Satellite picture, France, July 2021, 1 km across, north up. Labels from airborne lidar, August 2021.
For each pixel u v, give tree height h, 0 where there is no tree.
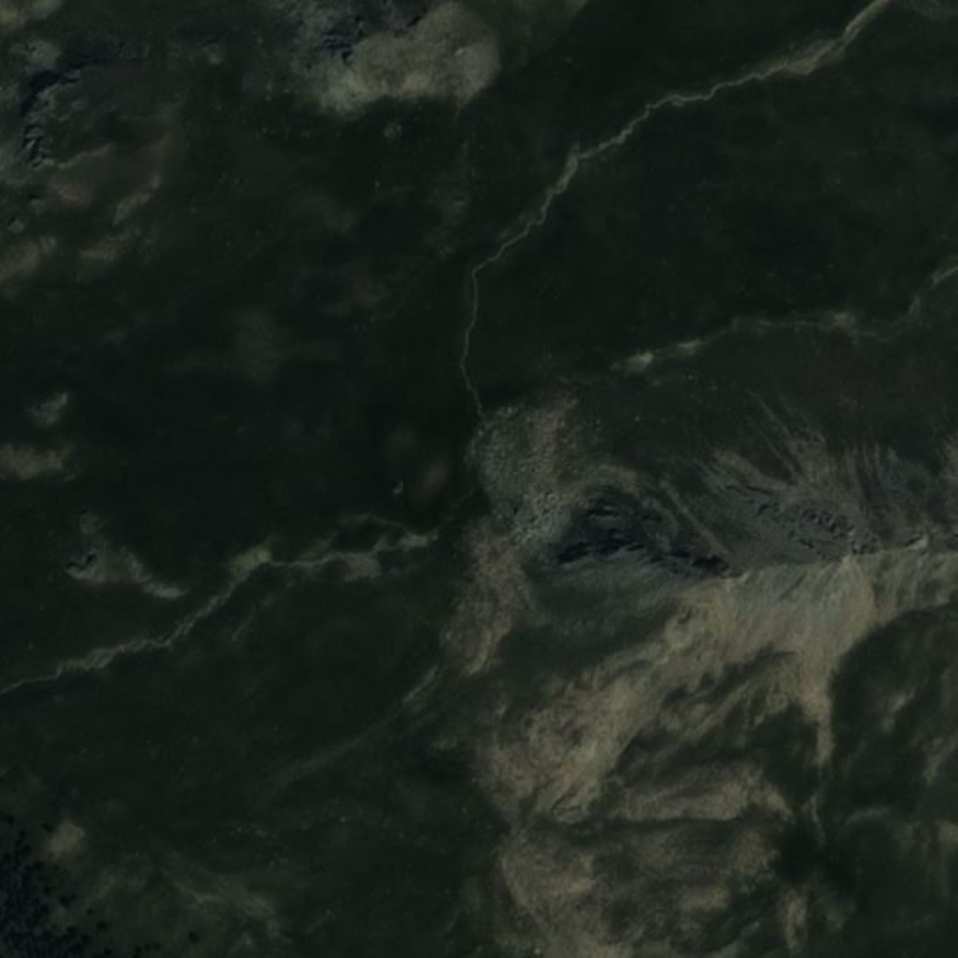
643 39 0
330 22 0
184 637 0
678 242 0
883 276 0
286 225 0
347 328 0
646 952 0
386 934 0
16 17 0
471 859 0
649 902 0
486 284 0
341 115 0
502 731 0
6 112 0
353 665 0
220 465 0
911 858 0
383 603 0
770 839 0
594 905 0
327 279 0
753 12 0
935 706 0
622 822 0
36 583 0
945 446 0
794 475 0
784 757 0
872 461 0
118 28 0
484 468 0
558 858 0
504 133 0
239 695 0
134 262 0
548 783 0
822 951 0
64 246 0
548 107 0
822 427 0
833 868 0
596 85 0
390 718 0
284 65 0
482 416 0
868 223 0
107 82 0
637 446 0
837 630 0
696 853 0
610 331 0
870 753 0
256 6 0
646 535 0
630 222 0
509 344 0
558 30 0
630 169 0
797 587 0
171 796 0
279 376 0
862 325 0
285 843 0
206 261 0
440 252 0
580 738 0
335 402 0
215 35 0
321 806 0
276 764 0
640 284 0
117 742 0
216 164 0
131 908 0
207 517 0
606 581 0
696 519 0
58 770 0
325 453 0
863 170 0
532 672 0
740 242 0
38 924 13
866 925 0
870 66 0
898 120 0
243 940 0
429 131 0
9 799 0
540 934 0
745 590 0
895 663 0
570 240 0
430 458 0
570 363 0
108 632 0
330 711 0
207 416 0
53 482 0
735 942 0
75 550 0
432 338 0
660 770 0
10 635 0
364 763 0
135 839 0
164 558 0
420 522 0
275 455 0
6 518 0
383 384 0
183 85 0
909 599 0
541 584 0
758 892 0
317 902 0
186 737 0
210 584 0
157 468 0
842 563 0
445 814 0
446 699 0
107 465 0
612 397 0
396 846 0
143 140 0
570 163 0
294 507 0
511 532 0
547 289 0
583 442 0
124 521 0
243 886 0
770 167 0
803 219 0
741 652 0
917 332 0
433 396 0
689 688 0
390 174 0
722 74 0
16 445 0
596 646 0
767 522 0
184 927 0
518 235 0
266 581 0
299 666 0
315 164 0
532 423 0
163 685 0
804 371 0
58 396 0
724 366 0
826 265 0
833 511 0
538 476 0
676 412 0
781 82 0
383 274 0
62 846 0
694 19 0
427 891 0
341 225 0
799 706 0
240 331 0
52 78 0
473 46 0
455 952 0
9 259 0
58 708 0
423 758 0
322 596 0
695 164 0
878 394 0
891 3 0
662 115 0
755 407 0
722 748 0
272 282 0
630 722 0
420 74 0
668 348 0
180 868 0
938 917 0
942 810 0
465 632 0
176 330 0
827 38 0
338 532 0
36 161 0
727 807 0
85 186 0
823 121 0
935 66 0
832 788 0
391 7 0
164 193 0
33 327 0
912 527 0
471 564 0
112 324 0
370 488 0
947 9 0
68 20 0
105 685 0
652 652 0
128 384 0
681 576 0
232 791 0
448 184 0
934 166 0
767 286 0
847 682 0
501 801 0
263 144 0
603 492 0
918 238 0
